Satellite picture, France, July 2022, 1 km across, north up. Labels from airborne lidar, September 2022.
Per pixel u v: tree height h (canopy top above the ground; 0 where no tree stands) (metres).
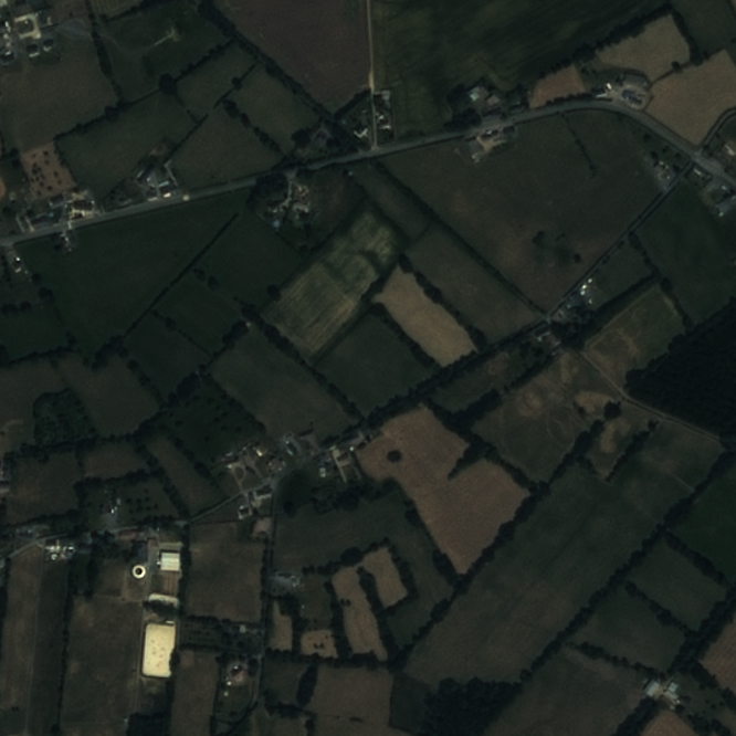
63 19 0
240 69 0
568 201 0
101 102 0
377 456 0
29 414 0
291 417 0
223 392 10
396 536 0
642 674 8
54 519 11
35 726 0
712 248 0
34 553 0
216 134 0
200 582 0
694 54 11
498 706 21
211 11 11
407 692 0
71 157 0
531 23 0
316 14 0
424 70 0
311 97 9
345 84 0
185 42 0
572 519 0
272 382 0
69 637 7
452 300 0
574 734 0
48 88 0
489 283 0
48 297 19
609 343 0
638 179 0
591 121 0
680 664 14
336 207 0
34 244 0
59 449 16
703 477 0
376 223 0
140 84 0
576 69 0
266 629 6
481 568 12
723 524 0
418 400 13
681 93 0
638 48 0
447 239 0
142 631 0
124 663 0
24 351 0
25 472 0
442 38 0
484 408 18
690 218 0
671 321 0
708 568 23
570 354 0
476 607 0
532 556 0
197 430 0
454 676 0
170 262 0
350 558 17
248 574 0
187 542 11
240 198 0
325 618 0
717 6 0
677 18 15
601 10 0
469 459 11
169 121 0
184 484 0
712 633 24
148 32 0
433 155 0
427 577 0
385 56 0
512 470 12
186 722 0
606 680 0
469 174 0
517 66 0
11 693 0
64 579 0
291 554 0
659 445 0
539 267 0
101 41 12
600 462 0
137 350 0
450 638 0
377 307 7
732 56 0
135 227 0
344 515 0
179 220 0
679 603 0
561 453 0
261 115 0
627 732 16
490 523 0
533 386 0
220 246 0
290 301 0
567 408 0
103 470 0
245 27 0
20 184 0
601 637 0
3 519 6
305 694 20
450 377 10
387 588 0
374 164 7
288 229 0
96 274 0
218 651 9
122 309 0
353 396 0
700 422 10
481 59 0
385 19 0
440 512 0
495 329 0
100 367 8
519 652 0
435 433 0
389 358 0
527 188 0
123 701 0
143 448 16
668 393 9
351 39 0
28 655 0
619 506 0
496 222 0
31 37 0
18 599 0
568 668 0
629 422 0
